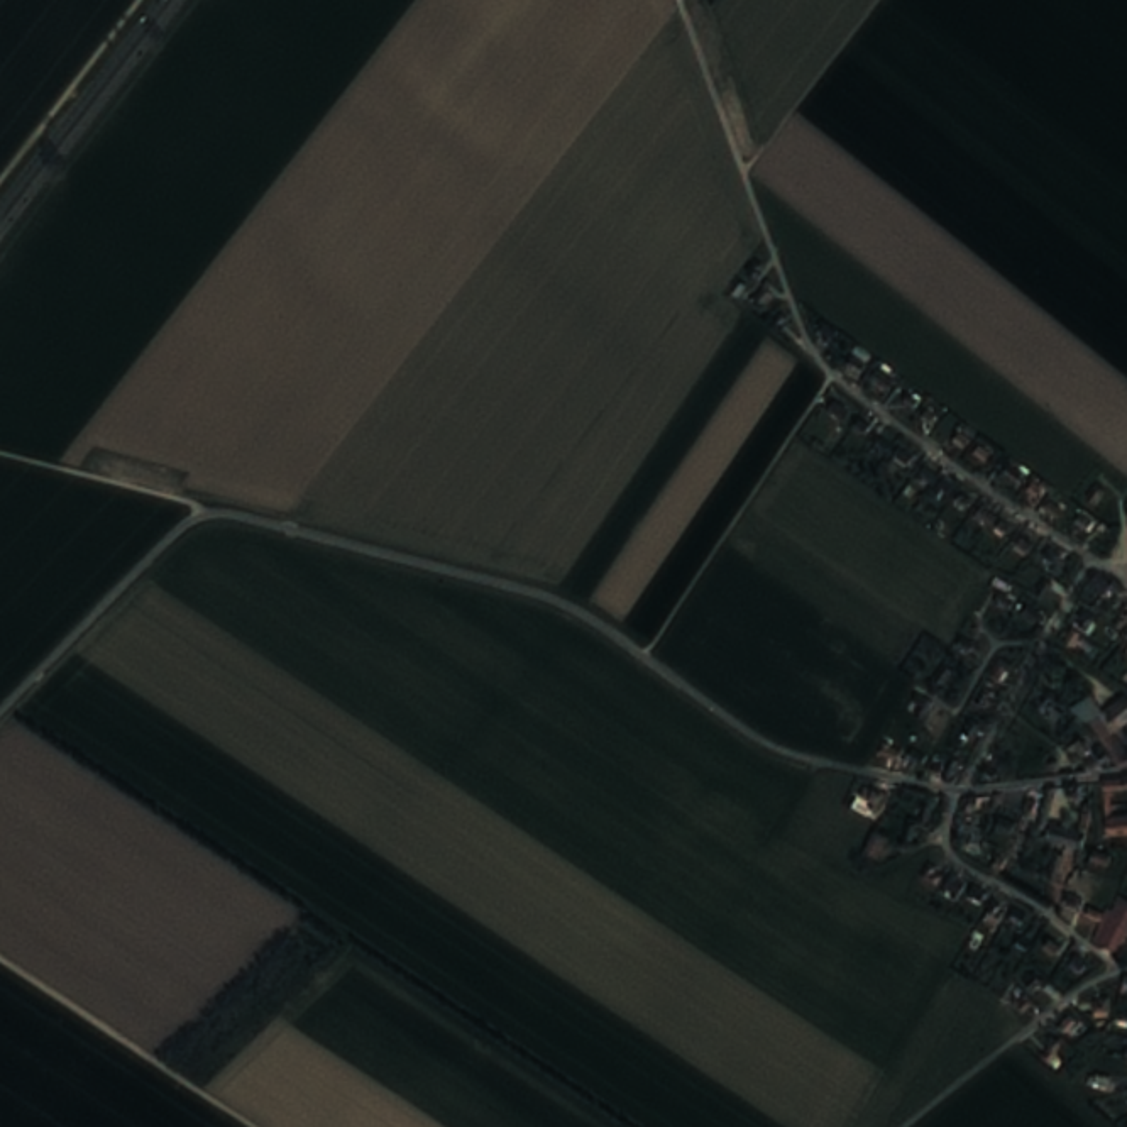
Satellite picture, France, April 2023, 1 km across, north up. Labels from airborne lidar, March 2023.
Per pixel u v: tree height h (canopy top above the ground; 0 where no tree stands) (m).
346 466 0
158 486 0
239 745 0
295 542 0
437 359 0
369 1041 0
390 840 0
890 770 0
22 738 0
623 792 0
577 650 0
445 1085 0
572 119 0
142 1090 0
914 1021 0
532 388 0
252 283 0
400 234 0
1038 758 0
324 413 0
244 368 0
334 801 0
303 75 0
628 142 0
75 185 0
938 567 0
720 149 0
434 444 0
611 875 0
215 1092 0
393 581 0
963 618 0
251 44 0
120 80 0
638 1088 0
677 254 0
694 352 0
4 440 0
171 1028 0
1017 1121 0
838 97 0
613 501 0
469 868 0
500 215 0
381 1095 0
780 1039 0
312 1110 0
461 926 0
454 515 0
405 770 0
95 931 0
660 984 0
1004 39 0
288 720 0
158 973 0
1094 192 0
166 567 0
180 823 7
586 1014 0
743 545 0
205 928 0
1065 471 0
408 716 0
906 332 0
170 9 0
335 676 0
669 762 0
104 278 0
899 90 0
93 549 0
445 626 0
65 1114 0
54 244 0
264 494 0
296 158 0
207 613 0
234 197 0
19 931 0
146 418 0
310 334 0
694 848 0
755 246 0
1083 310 0
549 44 0
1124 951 12
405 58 0
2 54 0
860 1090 0
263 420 0
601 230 0
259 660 0
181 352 0
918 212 0
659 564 0
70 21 0
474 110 0
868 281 0
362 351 0
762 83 0
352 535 0
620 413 0
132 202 0
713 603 0
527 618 0
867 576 0
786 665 0
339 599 0
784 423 0
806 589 0
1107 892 0
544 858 0
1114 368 0
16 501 0
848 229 0
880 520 0
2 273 0
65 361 0
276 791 0
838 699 0
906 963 0
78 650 0
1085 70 0
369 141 0
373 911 0
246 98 0
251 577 0
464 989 0
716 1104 0
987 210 0
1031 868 15
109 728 0
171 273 0
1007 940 0
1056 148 0
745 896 0
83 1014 0
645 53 0
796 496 0
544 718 0
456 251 0
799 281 0
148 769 0
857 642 0
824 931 0
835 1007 0
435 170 0
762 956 0
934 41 0
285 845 0
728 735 0
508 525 0
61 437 0
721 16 0
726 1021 0
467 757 0
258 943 0
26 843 0
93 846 0
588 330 0
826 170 0
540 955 0
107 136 0
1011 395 0
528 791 0
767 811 0
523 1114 0
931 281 0
